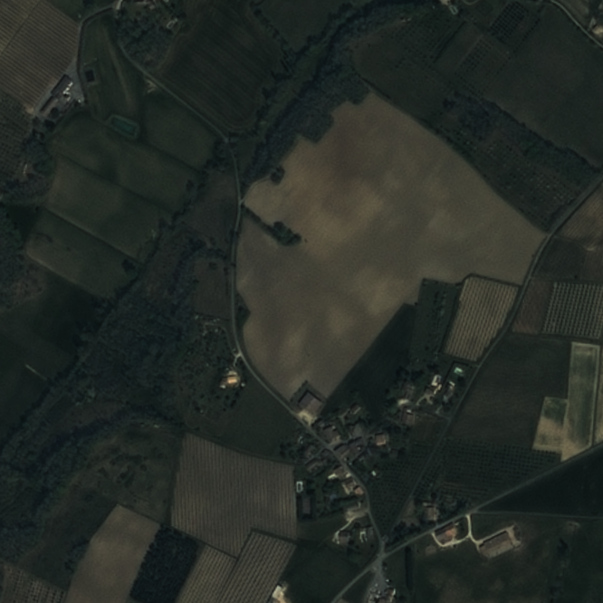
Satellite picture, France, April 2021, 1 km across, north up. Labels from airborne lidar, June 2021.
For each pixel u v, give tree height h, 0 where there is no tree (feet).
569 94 0
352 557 53
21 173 0
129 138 0
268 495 0
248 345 0
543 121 0
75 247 0
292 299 0
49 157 73
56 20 0
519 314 0
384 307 0
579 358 0
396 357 0
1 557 44
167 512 0
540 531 0
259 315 0
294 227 0
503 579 0
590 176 52
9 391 0
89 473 0
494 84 0
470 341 0
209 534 0
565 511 0
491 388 0
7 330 0
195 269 41
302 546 0
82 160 0
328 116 55
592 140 0
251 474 0
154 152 0
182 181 0
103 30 0
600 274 0
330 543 0
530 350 0
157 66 58
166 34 66
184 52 0
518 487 0
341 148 0
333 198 0
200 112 0
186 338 66
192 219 0
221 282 0
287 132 62
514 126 49
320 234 0
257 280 0
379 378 0
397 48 0
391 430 28
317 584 0
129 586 0
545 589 0
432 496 21
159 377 55
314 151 0
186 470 0
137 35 38
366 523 0
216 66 0
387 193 0
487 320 0
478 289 0
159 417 55
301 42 0
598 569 0
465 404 0
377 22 63
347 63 60
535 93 0
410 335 0
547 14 0
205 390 0
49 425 42
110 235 0
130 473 0
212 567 0
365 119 0
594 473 0
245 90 0
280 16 0
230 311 0
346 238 0
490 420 0
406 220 0
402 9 47
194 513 0
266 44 0
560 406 0
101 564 0
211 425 0
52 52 0
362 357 0
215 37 0
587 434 0
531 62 0
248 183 50
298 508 25
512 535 0
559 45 0
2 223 74
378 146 0
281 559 0
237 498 0
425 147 0
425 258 0
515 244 0
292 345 0
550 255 0
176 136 0
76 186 0
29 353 0
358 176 0
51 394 54
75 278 0
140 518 0
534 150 43
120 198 0
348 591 0
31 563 0
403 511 0
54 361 0
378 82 0
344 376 0
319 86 50
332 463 39
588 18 0
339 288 0
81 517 0
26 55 0
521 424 0
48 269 0
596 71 0
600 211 0
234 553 0
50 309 0
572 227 0
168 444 0
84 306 0
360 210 0
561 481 0
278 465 0
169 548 36
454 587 0
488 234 0
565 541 0
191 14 0
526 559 0
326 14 0
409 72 0
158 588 35
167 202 0
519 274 0
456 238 0
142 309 62
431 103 0
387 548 27
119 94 0
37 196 76
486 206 0
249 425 0
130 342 35
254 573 0
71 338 0
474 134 35
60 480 80
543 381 0
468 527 0
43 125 30
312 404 0
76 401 62
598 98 0
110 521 0
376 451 55
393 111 0
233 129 0
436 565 0
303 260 0
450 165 0
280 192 0
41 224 0
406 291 0
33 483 80
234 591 0
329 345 0
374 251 0
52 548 0
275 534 0
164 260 20
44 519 41
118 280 0
